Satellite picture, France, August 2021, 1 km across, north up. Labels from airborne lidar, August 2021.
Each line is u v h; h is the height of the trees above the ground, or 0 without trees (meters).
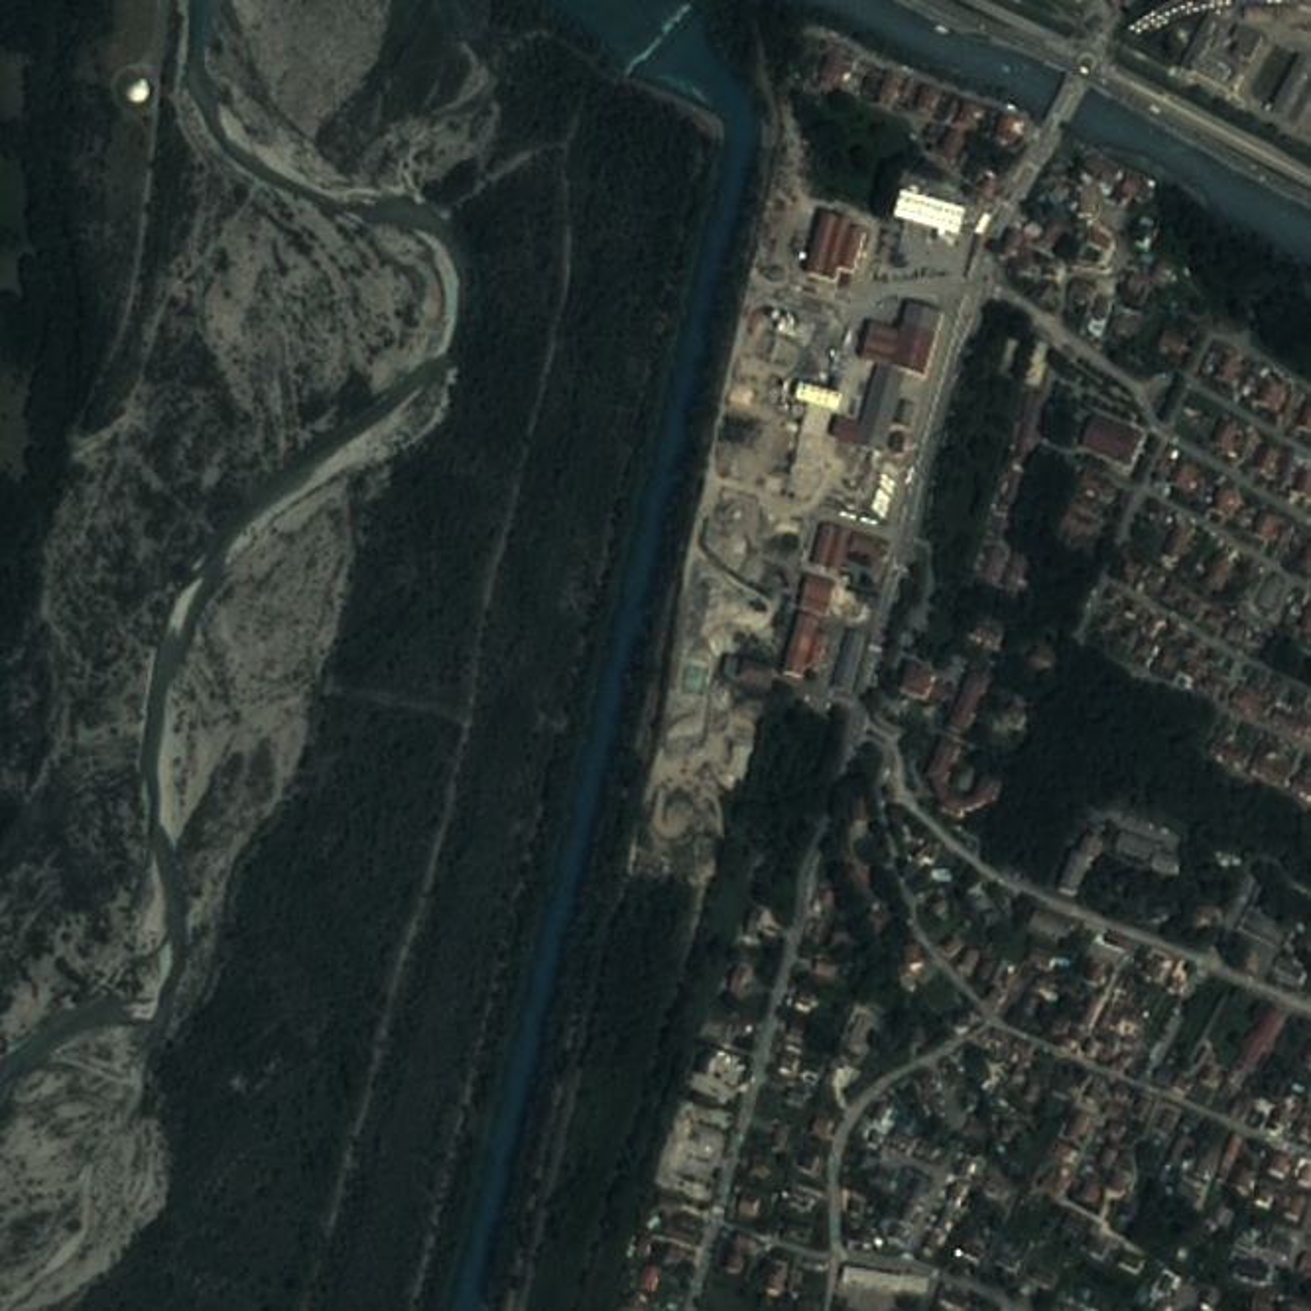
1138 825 0
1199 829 12
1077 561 15
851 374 0
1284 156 0
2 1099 0
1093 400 8
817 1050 6
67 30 16
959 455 8
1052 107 0
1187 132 0
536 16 7
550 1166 5
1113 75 0
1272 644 17
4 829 7
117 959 0
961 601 7
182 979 0
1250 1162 6
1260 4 0
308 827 7
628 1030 16
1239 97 0
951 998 0
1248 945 11
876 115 0
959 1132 6
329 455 0
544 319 8
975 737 15
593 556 7
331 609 0
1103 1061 6
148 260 9
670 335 10
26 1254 0
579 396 8
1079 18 0
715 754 0
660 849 0
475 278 8
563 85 8
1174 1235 19
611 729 0
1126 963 0
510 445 9
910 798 0
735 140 0
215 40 0
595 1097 13
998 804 9
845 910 18
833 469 0
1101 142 0
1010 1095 6
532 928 10
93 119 8
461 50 0
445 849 7
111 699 0
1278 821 17
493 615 7
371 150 0
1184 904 10
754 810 13
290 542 0
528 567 6
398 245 0
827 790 14
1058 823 21
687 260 12
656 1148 9
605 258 9
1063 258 13
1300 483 0
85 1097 0
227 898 0
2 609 12
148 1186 0
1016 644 16
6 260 0
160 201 9
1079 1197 13
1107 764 16
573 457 9
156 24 0
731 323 26
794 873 12
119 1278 0
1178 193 14
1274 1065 10
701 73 0
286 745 0
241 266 0
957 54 0
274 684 0
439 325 0
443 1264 12
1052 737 16
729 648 0
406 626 7
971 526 0
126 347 10
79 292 13
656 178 13
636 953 16
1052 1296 8
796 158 0
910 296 0
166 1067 9
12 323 14
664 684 6
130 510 0
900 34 0
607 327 10
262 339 0
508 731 6
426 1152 6
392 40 0
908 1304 12
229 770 0
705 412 21
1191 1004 12
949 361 0
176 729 0
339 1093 8
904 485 0
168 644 0
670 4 0
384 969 8
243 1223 12
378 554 7
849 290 0
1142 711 14
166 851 0
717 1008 0
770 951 10
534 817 7
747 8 21
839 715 12
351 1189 8
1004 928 10
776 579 0
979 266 0
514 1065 0
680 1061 9
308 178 0
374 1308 6
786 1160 13
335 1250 9
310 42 0
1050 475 18
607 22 0
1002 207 0
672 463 0
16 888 0
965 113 0
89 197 10
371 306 0
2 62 0
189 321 0
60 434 15
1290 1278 15
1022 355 9
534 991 0
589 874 15
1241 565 7
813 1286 0
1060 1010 9
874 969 16
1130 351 7
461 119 0
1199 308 6
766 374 0
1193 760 13
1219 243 28
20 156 13
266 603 0
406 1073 6
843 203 0
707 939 10
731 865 16
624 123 15
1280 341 16
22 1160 0
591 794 0
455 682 8
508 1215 11
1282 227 0
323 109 0
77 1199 0
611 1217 6
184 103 0
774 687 8
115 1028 0
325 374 0
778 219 0
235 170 0
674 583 19
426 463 5
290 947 7
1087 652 14
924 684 0
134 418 0
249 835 0
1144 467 9
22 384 8
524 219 5
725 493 0
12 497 12
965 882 11
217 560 0
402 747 10
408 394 0
